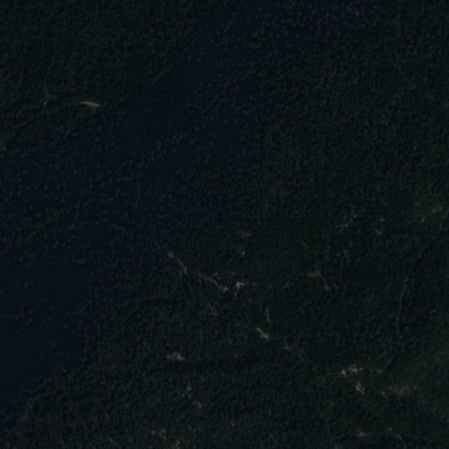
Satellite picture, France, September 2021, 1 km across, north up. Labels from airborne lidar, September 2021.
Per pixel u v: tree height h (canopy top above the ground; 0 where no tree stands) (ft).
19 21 77
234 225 73
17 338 38
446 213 39
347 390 75
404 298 36
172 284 86
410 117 30
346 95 24
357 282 41
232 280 31
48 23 43
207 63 39
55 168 94
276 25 44
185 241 88
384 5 37
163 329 28
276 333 53
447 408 68
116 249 19
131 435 47
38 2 28
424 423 98
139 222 45
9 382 55
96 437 60
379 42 38
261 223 33
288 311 36
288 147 25
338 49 46
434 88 67
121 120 34
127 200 53
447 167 37
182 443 30
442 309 46
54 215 85
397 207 39
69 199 29
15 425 41
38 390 39
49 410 69
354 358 31
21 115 73
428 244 37
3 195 31
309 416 68
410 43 40
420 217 50
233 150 82
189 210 65
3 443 51
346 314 33
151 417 20
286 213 26
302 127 25
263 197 22
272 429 96
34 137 36
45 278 33
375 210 57
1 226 103
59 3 60
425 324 72
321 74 38
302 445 83
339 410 57
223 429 57
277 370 58
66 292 44
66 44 27
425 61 21
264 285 41
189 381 72
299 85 31
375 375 54
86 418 80
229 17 39
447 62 68
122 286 63
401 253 42
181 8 43
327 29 27
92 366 29
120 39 29
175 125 46
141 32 40
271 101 32
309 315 33
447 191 39
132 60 57
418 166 81
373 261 47
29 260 30
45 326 31
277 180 27
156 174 23
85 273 44
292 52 23
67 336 21
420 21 41
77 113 34
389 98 39
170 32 86
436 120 60
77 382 70
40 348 44
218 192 42
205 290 72
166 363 70
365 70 26
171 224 52
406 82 22
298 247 35
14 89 93
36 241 27
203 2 31
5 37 66
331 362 37
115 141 45
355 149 35
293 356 21
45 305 33
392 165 86
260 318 46
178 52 40
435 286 42
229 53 27
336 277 88
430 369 31
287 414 80
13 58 31
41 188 31
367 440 46
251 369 98
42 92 60
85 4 38
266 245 30
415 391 32
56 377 24
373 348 81
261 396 94
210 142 20
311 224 42
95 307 26
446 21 44
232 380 91
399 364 42
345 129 47
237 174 68
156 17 75
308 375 48
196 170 37
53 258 35
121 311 22
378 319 65
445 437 76
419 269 66
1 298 61
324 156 21
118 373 28
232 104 110
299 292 34
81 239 46
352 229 33
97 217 75
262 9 30
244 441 63
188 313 38
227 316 102
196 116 50
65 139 24
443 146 54
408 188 61
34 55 41
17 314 46
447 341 49
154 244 58
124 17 24
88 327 20
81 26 25
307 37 25
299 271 47
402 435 23
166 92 48
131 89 44
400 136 53
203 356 46
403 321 35
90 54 31
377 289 36
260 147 39
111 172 29
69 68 27
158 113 50
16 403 43
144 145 21
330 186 83
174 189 33
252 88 43
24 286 66
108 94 50
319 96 31
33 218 44
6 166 74
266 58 44
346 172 37
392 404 86
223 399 92
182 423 43
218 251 79
